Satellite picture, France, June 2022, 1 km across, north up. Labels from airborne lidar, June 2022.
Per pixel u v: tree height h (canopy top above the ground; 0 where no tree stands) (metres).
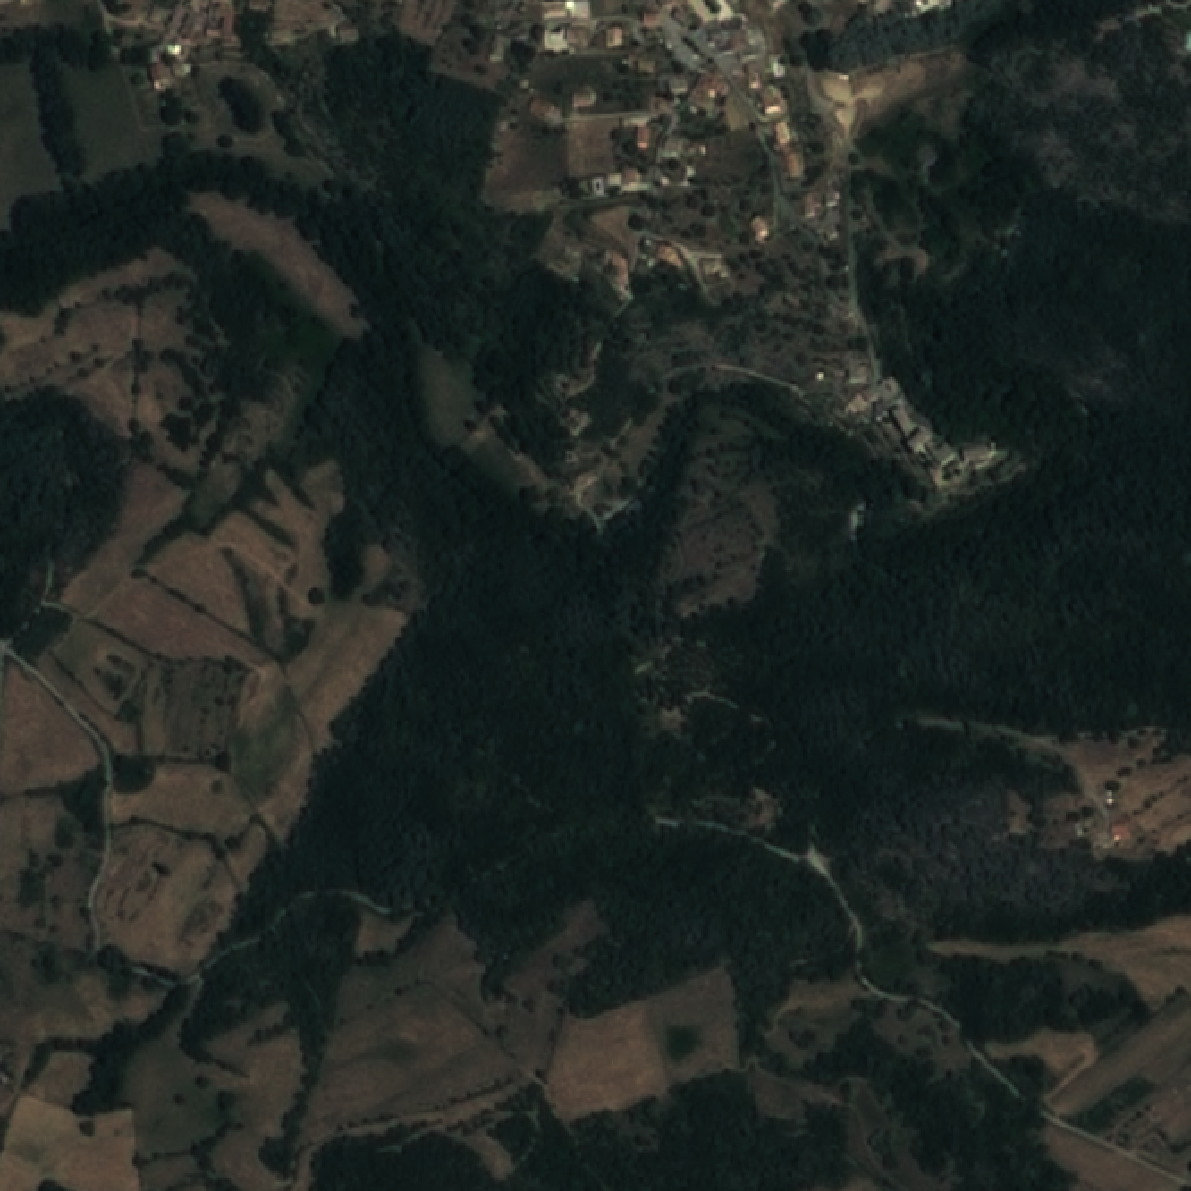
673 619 7
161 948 0
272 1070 0
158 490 0
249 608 7
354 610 0
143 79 8
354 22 7
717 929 11
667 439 11
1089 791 0
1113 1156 0
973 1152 10
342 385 17
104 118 0
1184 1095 0
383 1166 10
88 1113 23
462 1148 6
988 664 15
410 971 0
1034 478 11
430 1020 0
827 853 11
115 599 0
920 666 18
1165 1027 0
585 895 10
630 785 11
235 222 0
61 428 13
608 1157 8
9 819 0
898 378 18
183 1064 0
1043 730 17
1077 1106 0
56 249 25
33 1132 0
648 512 8
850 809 11
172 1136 0
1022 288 16
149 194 19
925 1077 13
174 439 10
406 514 6
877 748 13
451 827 8
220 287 17
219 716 0
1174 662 6
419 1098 0
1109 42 11
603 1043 0
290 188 20
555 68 0
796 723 13
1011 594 19
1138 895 15
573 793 6
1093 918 14
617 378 6
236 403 16
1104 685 10
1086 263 17
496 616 14
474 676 11
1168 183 9
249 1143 0
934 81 0
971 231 0
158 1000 0
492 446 0
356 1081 0
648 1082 0
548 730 7
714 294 0
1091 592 9
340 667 0
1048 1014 10
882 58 20
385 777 15
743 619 7
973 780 7
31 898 7
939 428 18
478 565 14
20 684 0
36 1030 0
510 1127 9
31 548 8
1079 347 9
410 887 19
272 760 0
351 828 9
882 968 0
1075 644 14
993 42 18
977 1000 8
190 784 0
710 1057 0
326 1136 0
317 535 0
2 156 0
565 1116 0
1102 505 18
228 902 0
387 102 7
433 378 0
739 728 7
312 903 9
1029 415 14
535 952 8
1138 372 6
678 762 11
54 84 34
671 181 0
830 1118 6
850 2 0
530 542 11
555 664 8
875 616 19
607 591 19
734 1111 6
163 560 0
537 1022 0
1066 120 7
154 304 0
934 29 19
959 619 13
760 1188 7
